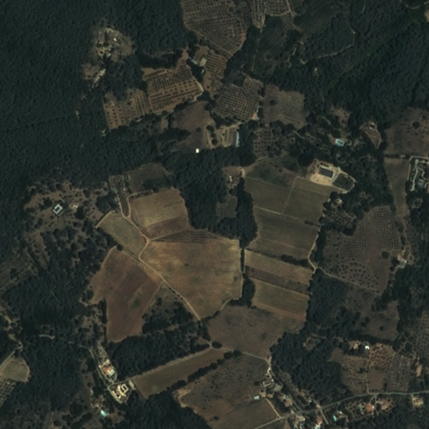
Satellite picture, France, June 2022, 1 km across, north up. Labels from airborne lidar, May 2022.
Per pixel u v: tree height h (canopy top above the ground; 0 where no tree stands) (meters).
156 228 0
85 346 17
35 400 16
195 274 0
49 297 20
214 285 0
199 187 20
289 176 0
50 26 15
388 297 13
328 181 0
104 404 10
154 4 18
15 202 19
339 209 9
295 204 0
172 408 18
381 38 22
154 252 0
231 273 0
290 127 13
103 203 21
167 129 14
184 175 17
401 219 0
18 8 18
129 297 0
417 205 9
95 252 22
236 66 18
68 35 18
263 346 0
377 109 18
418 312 11
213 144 8
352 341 8
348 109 13
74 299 17
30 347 9
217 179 20
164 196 0
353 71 8
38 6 16
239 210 18
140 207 0
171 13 18
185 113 0
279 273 0
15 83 18
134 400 17
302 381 18
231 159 20
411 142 0
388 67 13
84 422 14
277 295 0
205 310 0
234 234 12
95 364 10
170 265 0
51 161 21
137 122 11
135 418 13
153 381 0
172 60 5
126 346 18
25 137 19
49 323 13
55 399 16
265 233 0
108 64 10
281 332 0
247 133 18
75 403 9
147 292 0
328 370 20
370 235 0
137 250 0
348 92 15
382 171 16
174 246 0
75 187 19
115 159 17
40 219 7
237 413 0
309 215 0
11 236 20
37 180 18
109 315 0
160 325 12
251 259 0
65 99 19
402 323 7
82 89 18
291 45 12
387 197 11
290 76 18
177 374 0
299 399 9
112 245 13
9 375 0
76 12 19
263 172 0
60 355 20
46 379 19
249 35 16
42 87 12
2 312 8
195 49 11
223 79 8
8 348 19
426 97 6
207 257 0
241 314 0
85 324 0
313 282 18
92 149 18
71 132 16
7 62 23
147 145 19
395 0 9
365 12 11
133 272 0
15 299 14
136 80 18
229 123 8
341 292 20
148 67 17
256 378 0
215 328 0
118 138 19
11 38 12
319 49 16
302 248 0
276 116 0
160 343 22
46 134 19
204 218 19
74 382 21
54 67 16
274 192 0
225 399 0
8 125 15
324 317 20
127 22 17
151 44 14
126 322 0
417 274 12
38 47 19
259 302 0
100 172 20
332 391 16
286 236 0
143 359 19
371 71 15
